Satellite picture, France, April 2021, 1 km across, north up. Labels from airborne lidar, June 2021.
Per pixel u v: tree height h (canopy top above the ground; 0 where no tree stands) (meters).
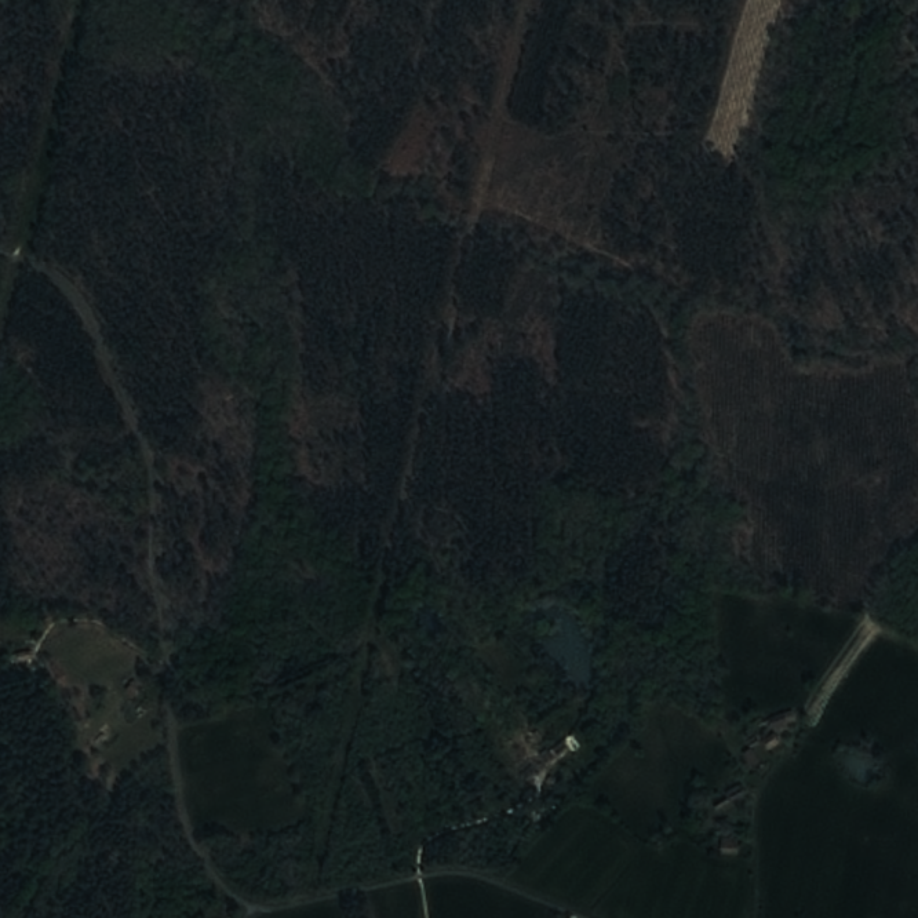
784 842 0
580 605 16
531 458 18
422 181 11
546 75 10
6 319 0
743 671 0
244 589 21
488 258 18
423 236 18
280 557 20
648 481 23
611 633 16
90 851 16
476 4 16
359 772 9
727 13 20
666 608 18
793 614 0
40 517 12
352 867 8
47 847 20
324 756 8
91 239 19
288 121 17
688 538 22
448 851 12
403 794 10
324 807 9
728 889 0
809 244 18
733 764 11
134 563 20
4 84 17
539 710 12
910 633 19
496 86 20
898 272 20
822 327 18
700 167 20
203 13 15
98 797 20
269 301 20
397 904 0
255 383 19
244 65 22
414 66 10
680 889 0
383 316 21
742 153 13
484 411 17
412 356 18
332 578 19
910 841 0
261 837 12
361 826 6
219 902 25
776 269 16
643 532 18
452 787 14
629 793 0
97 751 9
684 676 16
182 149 17
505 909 0
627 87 9
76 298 0
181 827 18
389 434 17
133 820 19
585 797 17
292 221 18
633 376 15
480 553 14
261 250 21
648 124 19
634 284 22
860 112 21
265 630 18
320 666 16
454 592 16
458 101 16
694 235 24
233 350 21
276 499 20
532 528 18
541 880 0
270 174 21
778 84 13
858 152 22
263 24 5
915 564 21
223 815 0
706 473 17
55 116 0
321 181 17
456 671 21
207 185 21
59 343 14
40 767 24
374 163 24
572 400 16
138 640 16
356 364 19
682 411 18
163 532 26
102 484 19
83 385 16
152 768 16
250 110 17
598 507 17
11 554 22
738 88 0
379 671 15
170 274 21
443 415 21
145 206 19
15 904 20
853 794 0
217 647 19
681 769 0
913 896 0
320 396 19
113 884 18
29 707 22
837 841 0
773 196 20
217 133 14
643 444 21
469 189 24
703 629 20
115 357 11
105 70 17
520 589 18
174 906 19
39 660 10
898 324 14
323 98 16
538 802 12
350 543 24
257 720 0
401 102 18
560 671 16
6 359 15
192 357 19
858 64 14
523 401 15
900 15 20
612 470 22
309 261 16
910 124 15
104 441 6
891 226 20
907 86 14
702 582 20
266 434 16
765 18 0
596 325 18
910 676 0
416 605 7
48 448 21
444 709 15
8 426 21
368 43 18
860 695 0
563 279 12
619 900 0
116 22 21
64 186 22
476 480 20
